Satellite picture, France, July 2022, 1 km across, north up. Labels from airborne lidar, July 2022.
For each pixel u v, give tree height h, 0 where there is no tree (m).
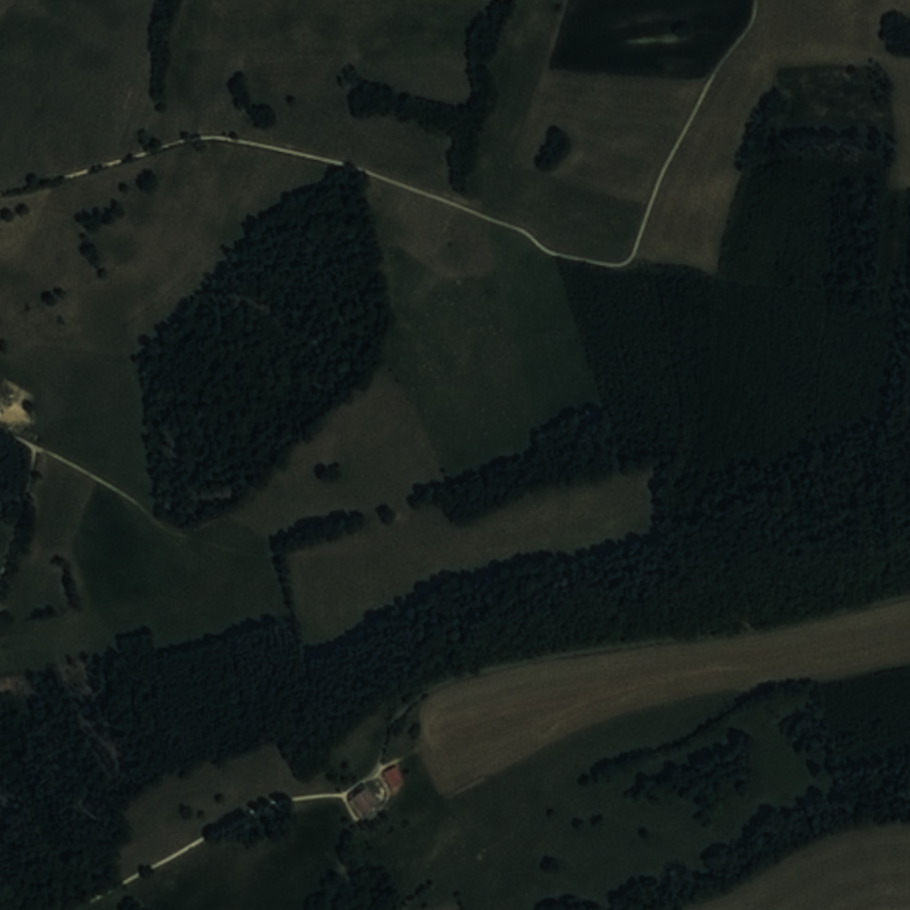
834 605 17
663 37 0
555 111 0
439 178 0
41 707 20
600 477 21
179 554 0
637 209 0
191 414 18
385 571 0
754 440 6
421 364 0
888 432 21
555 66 0
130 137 0
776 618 20
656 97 0
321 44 0
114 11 0
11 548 9
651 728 0
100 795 24
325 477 18
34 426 0
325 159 0
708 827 12
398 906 7
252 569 0
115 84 0
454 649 25
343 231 24
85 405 0
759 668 0
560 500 0
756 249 0
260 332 8
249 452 17
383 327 12
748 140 16
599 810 0
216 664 19
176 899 0
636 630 21
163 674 21
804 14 0
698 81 0
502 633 19
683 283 10
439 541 0
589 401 0
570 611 14
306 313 17
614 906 14
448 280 0
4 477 21
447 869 0
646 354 8
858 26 0
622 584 25
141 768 21
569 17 0
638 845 0
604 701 0
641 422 9
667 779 18
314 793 0
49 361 0
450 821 0
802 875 0
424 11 0
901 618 0
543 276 0
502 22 18
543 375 0
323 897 14
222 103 0
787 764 0
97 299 0
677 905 20
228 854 0
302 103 0
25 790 9
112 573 0
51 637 0
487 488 24
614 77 0
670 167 0
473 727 0
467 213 0
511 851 0
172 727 20
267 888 0
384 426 0
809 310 6
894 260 0
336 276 17
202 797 0
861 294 17
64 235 0
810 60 0
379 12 0
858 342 8
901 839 0
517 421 0
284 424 12
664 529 24
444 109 14
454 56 0
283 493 0
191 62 0
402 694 20
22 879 13
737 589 18
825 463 28
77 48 0
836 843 0
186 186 0
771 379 6
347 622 0
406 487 0
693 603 19
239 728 15
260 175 0
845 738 12
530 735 0
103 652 0
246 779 0
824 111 0
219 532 0
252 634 22
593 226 0
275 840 21
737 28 0
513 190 0
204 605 0
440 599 34
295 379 17
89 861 19
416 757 0
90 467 0
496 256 0
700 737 8
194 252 0
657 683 0
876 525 15
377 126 0
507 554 0
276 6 0
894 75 0
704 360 8
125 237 0
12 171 0
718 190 0
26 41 0
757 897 0
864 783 17
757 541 21
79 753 31
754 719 0
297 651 27
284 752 21
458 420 0
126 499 0
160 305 0
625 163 0
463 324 0
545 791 0
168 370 20
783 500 22
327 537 19
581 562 16
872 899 0
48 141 0
